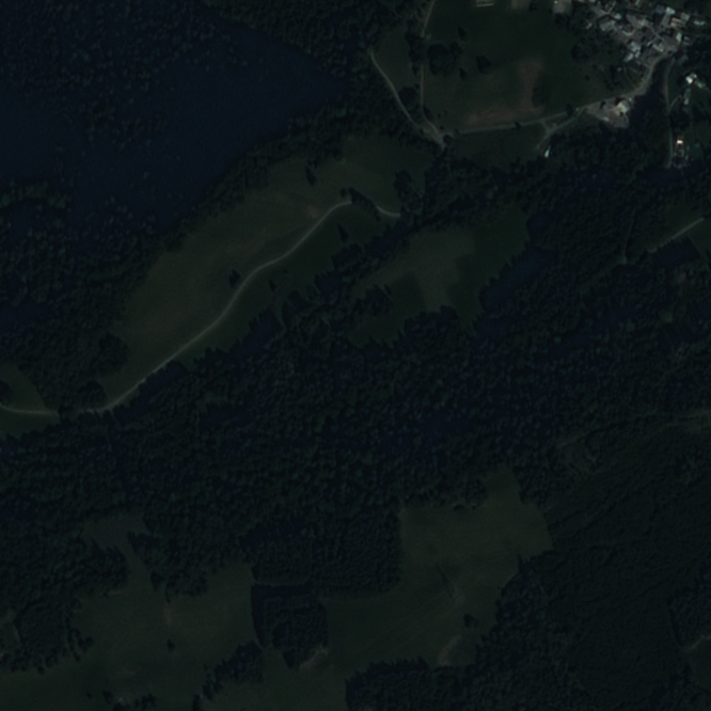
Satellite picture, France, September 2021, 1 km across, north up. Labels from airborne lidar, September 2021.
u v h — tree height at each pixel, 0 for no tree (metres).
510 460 24
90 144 27
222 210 23
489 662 9
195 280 0
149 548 8
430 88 0
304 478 24
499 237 0
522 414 22
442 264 0
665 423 11
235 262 0
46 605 26
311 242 0
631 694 11
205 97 31
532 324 29
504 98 0
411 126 13
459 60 23
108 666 0
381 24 27
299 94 37
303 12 33
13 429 0
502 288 0
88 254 32
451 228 22
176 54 35
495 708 21
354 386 34
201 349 0
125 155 24
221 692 15
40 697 0
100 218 30
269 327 0
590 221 25
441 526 0
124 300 20
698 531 10
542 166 15
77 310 28
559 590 9
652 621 12
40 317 19
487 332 0
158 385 0
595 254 29
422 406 30
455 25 0
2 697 0
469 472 27
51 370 21
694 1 9
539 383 23
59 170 32
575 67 0
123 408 0
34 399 0
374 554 26
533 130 0
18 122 22
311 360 11
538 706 18
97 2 31
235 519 25
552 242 27
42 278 30
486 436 20
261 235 0
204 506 30
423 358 26
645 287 27
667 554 11
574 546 11
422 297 0
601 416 16
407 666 0
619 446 16
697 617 25
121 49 35
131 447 25
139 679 0
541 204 12
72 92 23
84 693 0
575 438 19
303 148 26
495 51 0
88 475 36
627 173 24
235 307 0
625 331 34
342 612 0
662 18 0
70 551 30
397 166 0
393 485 24
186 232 24
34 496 28
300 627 33
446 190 27
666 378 10
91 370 24
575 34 7
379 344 0
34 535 32
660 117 21
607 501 7
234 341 0
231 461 34
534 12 7
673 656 12
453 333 26
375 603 0
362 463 29
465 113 0
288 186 0
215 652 0
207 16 15
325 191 0
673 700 26
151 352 0
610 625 11
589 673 10
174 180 29
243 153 34
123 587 13
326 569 32
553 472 24
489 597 0
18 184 23
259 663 24
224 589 0
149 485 26
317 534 22
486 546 0
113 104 29
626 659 11
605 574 10
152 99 26
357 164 0
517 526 0
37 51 20
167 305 0
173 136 20
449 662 0
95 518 24
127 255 30
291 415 31
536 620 23
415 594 0
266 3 31
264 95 34
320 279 0
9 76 26
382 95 20
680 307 23
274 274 0
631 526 10
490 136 0
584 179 8
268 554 27
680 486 8
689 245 0
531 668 20
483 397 27
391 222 0
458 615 0
